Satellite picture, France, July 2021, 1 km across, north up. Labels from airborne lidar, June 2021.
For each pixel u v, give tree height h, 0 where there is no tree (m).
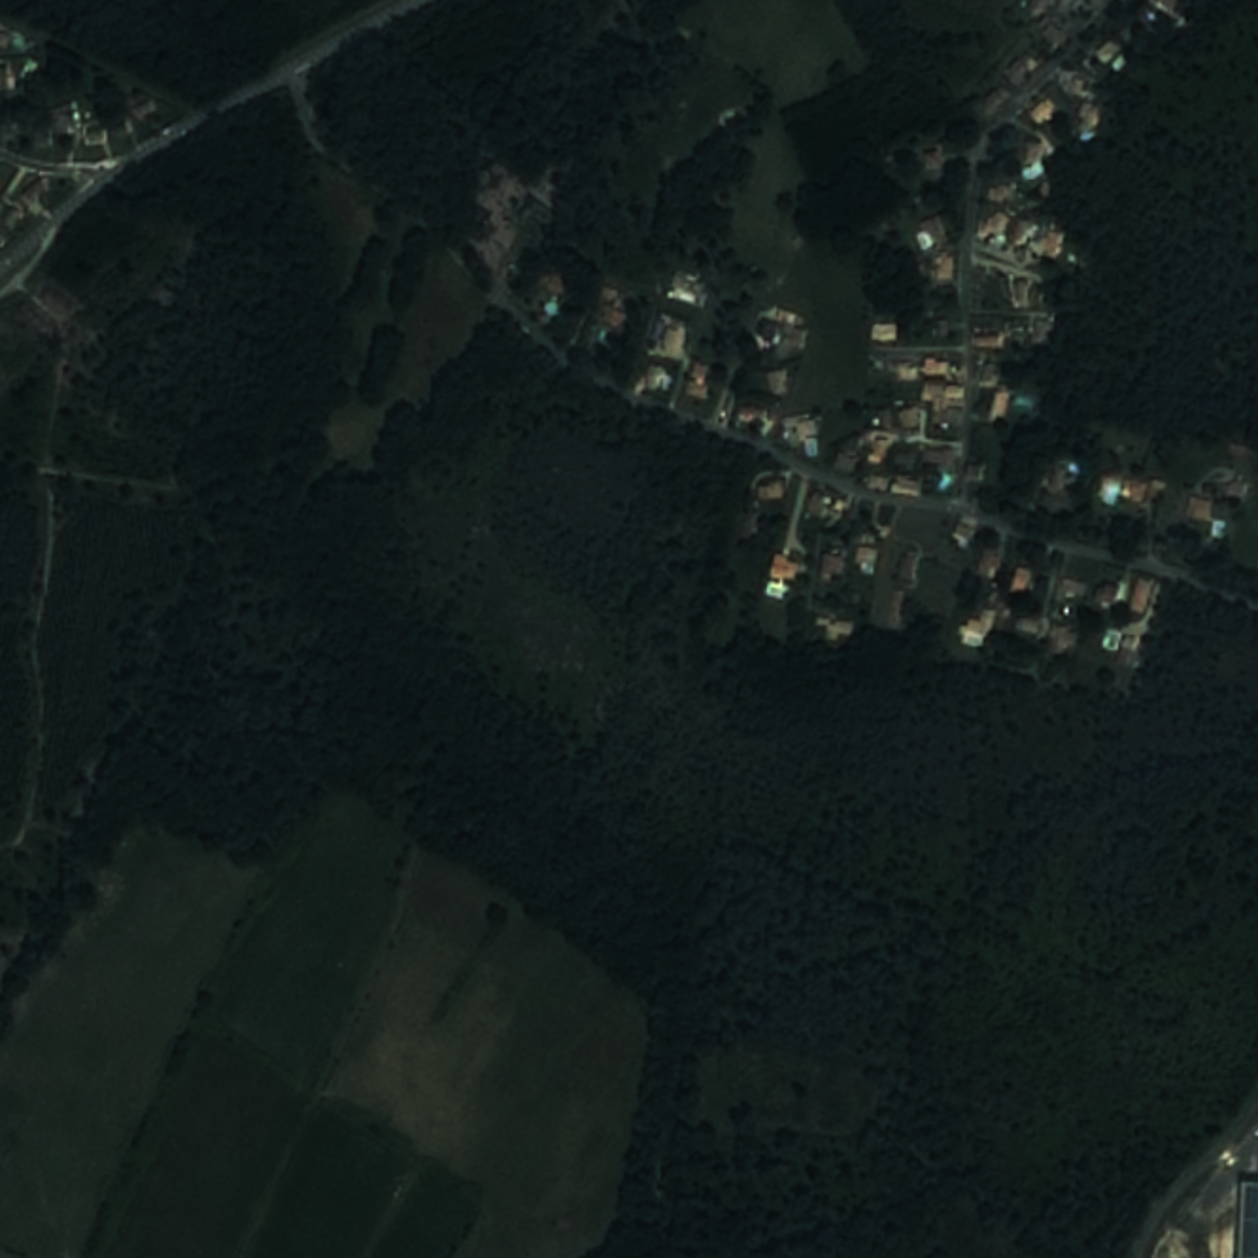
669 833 10
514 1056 0
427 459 19
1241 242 11
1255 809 18
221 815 23
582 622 0
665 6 21
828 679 14
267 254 23
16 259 0
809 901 11
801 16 0
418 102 24
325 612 18
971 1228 0
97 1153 0
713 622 17
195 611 22
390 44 20
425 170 21
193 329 14
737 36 0
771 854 20
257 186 13
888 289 20
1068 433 16
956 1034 6
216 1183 0
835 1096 0
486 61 11
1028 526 13
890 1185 17
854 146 6
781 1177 24
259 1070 0
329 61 7
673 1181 15
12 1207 0
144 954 0
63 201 0
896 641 18
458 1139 0
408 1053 0
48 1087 0
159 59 17
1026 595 18
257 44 11
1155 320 9
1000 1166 7
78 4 15
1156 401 17
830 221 16
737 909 26
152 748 26
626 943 20
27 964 15
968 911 15
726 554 9
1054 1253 9
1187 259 17
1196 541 23
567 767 19
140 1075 0
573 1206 0
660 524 8
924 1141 9
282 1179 0
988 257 0
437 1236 0
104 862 22
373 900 0
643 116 13
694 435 18
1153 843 21
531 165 30
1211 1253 0
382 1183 0
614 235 23
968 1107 6
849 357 0
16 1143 0
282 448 12
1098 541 14
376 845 0
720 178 18
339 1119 0
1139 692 12
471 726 21
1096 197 17
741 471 11
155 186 11
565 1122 0
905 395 0
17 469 10
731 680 13
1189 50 15
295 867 0
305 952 0
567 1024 0
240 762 17
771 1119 0
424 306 0
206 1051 0
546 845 16
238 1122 0
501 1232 0
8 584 12
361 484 20
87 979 0
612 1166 0
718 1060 0
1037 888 16
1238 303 11
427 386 0
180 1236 0
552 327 8
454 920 0
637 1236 20
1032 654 10
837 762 10
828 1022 23
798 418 0
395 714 16
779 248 0
